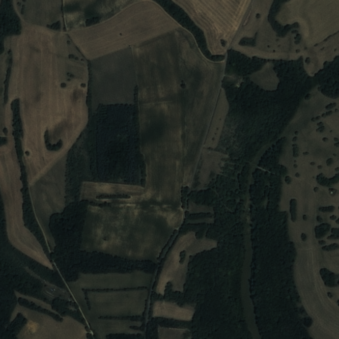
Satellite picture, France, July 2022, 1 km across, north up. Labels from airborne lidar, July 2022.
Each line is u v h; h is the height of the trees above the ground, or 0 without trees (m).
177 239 7
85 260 12
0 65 0
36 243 0
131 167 11
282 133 10
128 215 0
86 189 0
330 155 0
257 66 13
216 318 16
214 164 0
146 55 0
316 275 0
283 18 0
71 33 0
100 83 0
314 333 0
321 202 0
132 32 0
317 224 0
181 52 0
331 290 0
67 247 16
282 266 18
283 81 16
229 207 17
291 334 15
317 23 0
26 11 0
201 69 0
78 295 0
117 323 0
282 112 14
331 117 0
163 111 0
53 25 6
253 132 7
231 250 18
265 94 15
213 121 0
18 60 0
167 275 0
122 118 13
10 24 7
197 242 0
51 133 0
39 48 0
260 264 20
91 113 5
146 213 0
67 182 6
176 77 0
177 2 0
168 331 0
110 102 0
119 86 0
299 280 0
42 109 0
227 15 0
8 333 17
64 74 0
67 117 0
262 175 17
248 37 0
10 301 8
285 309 12
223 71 0
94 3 0
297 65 8
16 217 0
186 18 15
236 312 19
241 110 12
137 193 0
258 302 22
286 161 0
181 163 0
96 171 8
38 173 0
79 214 18
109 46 0
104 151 9
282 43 0
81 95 0
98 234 0
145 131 0
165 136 0
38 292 13
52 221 10
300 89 13
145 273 15
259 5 0
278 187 14
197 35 11
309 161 0
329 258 0
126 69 0
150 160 0
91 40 0
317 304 0
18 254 6
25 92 0
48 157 0
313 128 0
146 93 0
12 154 0
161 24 0
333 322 0
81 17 0
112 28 0
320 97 0
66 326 0
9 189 0
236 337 14
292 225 0
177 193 0
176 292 9
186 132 0
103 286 0
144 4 0
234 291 10
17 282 11
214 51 0
